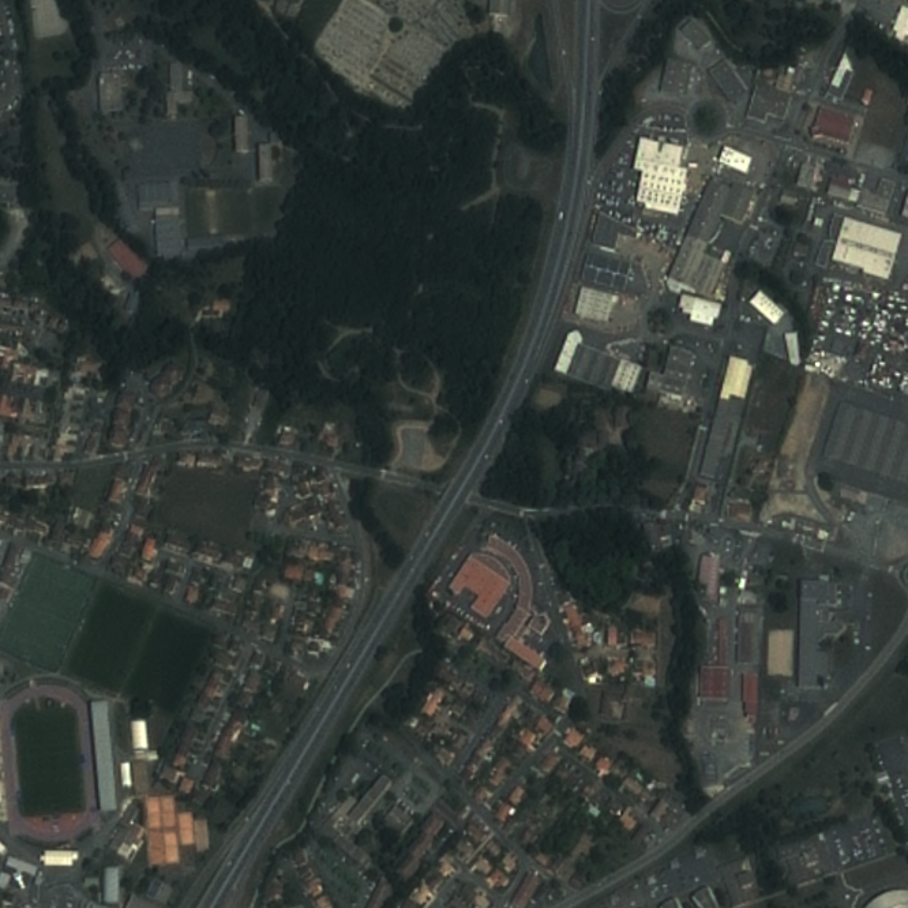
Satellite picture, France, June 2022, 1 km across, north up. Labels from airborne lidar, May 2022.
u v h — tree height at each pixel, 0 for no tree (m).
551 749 0
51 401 8
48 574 0
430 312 14
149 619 0
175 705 0
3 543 0
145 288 23
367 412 8
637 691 0
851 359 0
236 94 12
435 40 0
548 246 0
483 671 9
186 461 0
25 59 23
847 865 0
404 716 14
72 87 15
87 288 28
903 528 0
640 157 0
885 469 0
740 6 20
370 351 18
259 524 0
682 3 12
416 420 0
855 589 0
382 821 7
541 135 13
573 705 10
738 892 0
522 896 0
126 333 29
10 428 12
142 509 0
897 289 0
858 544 0
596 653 0
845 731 0
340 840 0
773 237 0
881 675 0
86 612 0
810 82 0
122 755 0
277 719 0
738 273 10
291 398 9
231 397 10
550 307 0
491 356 13
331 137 38
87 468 0
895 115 0
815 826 10
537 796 7
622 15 0
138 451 0
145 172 0
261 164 0
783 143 0
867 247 0
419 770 0
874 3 0
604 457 14
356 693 0
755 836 11
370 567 0
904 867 0
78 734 0
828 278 0
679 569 13
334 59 0
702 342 0
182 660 0
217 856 0
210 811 14
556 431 12
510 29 0
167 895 0
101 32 0
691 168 0
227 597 0
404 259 13
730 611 0
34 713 0
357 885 8
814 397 0
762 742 0
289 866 0
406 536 0
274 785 0
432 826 0
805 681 0
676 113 0
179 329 17
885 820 9
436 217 15
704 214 0
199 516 0
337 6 0
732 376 0
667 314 6
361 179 23
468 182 9
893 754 0
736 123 0
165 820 0
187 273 5
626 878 0
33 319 11
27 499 11
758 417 0
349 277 18
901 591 0
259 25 26
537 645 0
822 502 0
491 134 11
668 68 0
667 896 0
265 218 0
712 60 0
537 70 0
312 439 8
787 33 14
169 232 0
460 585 0
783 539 0
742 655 0
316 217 12
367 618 0
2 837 0
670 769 0
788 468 0
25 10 19
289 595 0
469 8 13
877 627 0
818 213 0
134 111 14
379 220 15
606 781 10
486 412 12
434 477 6
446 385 7
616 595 29
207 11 35
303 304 15
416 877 6
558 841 6
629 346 0
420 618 12
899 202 0
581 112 0
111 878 0
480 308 11
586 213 0
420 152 13
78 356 13
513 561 0
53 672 0
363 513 19
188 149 0
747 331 0
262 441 0
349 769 0
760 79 0
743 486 7
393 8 0
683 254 0
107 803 0
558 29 0
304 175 13
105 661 0
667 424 0
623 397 6
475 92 11
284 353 9
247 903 0
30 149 10
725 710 0
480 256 9
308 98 32
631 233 0
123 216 0
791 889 10
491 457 0
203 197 0
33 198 21
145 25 12
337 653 0
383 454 12
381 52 0
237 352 21
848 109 0
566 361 0
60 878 0
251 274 12
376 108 19
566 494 10
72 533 6
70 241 24
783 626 0
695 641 16
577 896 0
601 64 0
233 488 0
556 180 0
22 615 0
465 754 0
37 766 0
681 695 25
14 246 0
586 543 22
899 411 0
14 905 0
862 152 0
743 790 0
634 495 7
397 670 0
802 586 0
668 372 0
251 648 0
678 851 0
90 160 7
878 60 11
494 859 5
